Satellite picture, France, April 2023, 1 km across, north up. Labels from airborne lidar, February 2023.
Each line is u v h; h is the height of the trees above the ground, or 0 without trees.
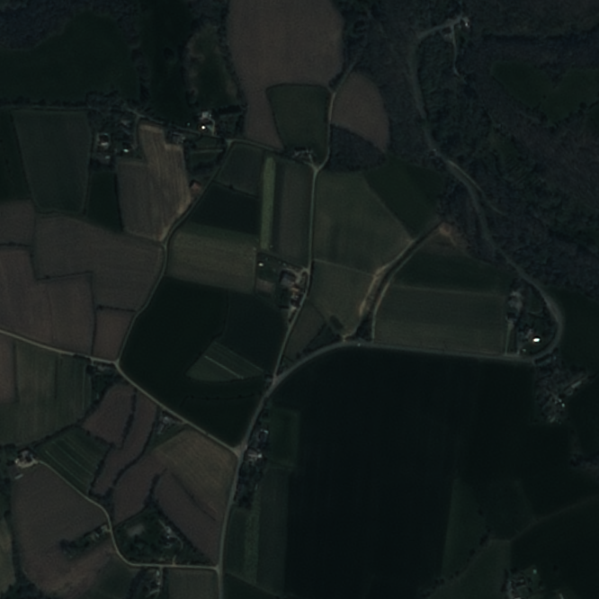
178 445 0
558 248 17
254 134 0
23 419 0
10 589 9
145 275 0
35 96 0
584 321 0
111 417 0
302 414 0
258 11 0
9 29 18
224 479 0
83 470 0
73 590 0
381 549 0
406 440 0
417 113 14
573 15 17
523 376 0
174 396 0
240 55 0
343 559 0
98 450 0
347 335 0
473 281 0
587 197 20
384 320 0
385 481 0
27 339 0
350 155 10
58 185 0
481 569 0
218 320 0
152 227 0
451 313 0
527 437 0
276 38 0
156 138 0
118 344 0
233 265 0
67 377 0
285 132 0
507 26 16
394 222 0
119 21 14
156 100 0
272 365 0
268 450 15
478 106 18
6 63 0
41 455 0
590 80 0
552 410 7
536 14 16
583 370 7
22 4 12
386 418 0
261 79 0
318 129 0
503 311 0
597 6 17
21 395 0
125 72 0
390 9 20
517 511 0
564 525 0
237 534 0
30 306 0
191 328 0
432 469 0
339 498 0
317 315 0
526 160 14
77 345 0
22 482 0
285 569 0
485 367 0
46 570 0
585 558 0
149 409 0
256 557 0
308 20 0
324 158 0
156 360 0
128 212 0
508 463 0
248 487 14
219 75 0
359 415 0
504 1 15
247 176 0
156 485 9
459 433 0
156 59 0
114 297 0
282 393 0
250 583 0
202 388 0
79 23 0
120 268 0
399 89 23
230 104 0
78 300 0
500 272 0
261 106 0
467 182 0
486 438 0
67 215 0
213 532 0
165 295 0
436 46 7
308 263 0
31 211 0
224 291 0
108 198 0
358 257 0
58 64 0
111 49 0
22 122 0
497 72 0
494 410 0
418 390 0
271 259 0
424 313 0
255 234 0
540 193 16
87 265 0
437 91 9
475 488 0
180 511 0
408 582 0
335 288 0
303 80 0
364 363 0
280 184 0
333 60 0
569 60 16
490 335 0
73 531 0
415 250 0
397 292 0
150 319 0
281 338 0
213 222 0
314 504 0
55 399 0
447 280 0
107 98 5
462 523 0
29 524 0
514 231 20
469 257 0
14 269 0
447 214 17
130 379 0
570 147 12
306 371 0
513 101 8
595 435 0
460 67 12
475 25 13
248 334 0
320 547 0
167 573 14
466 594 0
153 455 0
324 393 0
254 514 0
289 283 0
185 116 0
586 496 0
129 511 0
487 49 13
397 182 0
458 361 0
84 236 0
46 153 0
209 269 0
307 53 0
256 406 0
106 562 0
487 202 17
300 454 0
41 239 0
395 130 18
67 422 0
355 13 16
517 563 0
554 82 8
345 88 0
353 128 0
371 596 0
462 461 0
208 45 0
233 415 0
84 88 0
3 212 0
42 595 11
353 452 0
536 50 12
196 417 0
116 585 0
